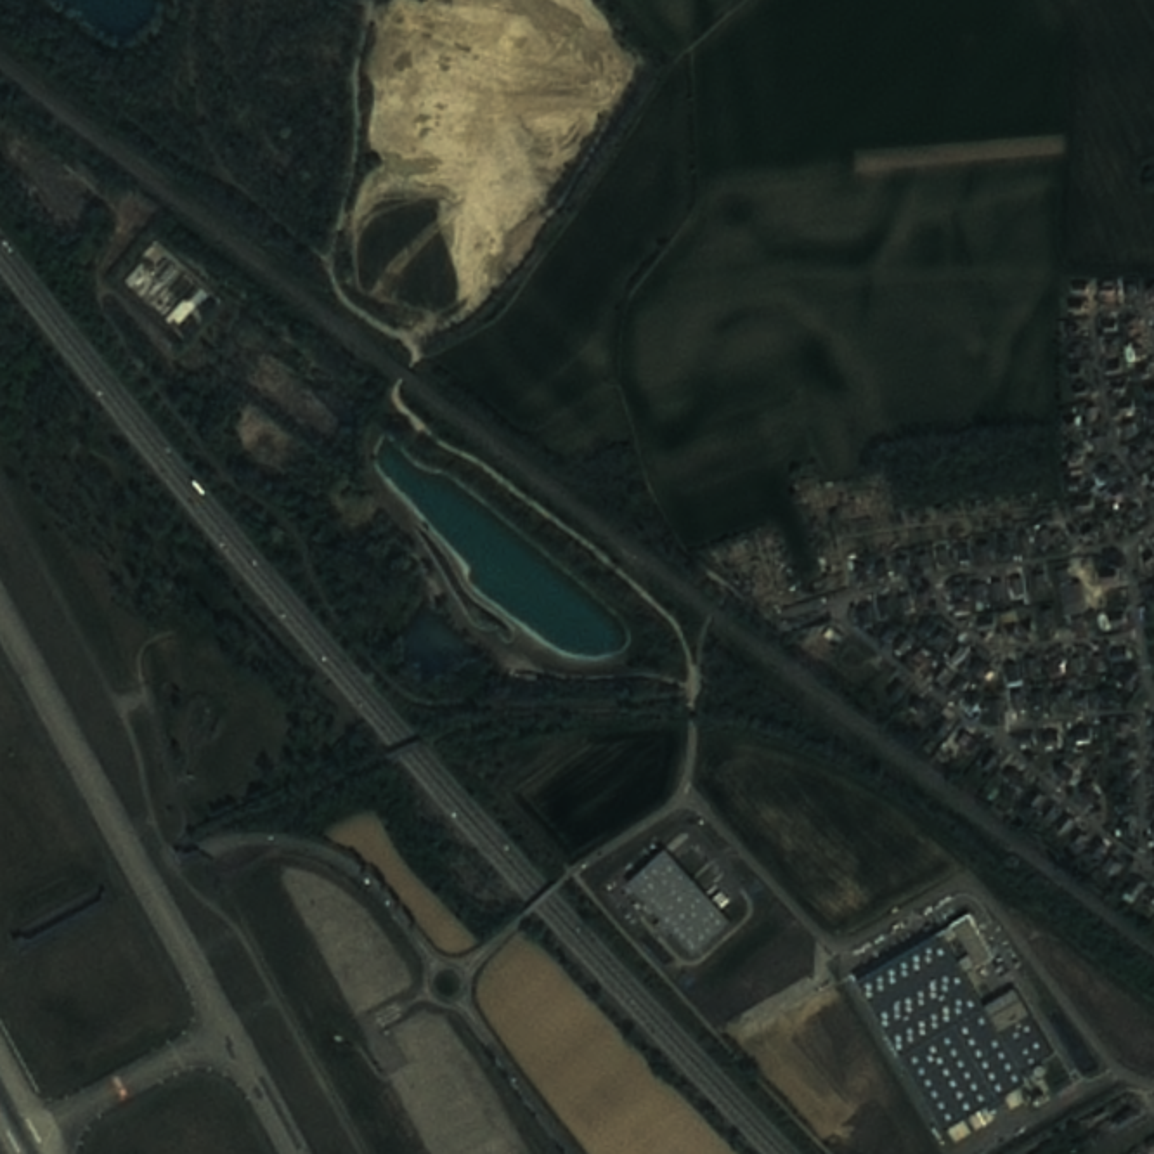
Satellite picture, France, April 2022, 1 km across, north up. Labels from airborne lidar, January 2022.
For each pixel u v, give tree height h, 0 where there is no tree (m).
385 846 0
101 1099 0
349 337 0
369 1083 0
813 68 0
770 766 0
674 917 0
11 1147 0
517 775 0
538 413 0
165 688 0
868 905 0
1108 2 0
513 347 0
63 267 8
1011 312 0
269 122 17
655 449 0
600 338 0
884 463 14
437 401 0
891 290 0
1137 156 0
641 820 0
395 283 0
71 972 0
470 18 0
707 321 0
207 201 0
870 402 0
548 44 0
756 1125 0
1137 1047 0
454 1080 0
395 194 0
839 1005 0
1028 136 0
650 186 0
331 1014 0
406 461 0
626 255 0
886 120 0
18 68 0
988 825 0
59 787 0
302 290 0
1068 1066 0
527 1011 0
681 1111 0
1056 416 0
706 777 0
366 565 18
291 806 8
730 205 0
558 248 0
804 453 0
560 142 0
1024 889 9
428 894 0
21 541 0
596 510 0
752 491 0
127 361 9
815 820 0
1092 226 0
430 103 0
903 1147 0
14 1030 0
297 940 0
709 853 0
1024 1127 0
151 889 0
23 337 14
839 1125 0
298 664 9
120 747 0
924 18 0
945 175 0
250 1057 0
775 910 0
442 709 7
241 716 0
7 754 0
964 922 0
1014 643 0
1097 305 0
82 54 22
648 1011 0
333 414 0
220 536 0
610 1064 0
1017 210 0
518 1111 0
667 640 5
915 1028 0
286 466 0
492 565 0
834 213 0
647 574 0
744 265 0
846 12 0
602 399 0
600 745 0
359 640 16
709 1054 0
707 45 0
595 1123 0
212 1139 0
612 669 0
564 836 0
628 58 0
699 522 0
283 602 0
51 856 0
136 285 0
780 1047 0
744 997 0
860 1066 0
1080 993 0
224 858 0
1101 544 0
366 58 10
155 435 0
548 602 0
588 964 0
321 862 0
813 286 0
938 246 0
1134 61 0
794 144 0
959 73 0
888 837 0
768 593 0
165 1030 0
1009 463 11
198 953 0
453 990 0
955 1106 0
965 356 0
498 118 0
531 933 16
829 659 0
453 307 0
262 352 0
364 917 0
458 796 0
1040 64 0
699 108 0
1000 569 0
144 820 0
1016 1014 0
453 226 0
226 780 0
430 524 0
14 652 0
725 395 0
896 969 0
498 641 0
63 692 0
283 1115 0
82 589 0
